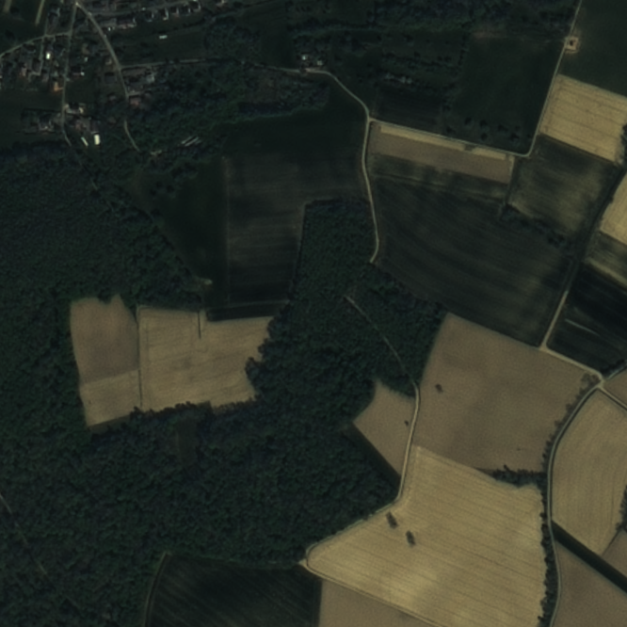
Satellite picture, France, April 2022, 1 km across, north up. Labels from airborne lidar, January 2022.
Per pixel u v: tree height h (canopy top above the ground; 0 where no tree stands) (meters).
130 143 10
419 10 16
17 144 0
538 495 0
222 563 0
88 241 21
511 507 0
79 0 0
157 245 17
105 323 0
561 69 0
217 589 0
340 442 25
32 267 21
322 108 6
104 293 14
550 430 0
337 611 0
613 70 0
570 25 11
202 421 0
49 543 22
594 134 0
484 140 9
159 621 0
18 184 18
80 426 22
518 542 0
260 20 0
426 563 0
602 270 0
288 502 27
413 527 0
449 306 0
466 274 0
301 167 0
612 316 0
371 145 0
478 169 0
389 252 0
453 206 0
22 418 25
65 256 22
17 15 13
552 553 9
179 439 26
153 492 25
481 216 0
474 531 0
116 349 0
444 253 0
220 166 0
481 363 0
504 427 0
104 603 22
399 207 0
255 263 0
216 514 25
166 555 0
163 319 0
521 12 0
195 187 0
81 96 0
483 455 0
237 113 11
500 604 0
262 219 0
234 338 0
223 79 22
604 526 0
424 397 0
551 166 0
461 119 0
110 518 29
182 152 14
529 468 0
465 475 0
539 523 0
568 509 0
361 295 17
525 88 0
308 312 21
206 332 0
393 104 0
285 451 22
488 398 0
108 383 0
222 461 24
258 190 0
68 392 20
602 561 0
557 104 0
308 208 7
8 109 0
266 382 20
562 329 0
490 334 0
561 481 0
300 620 0
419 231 0
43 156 15
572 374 0
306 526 22
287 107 9
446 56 0
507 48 0
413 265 0
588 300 0
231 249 0
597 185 0
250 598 0
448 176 0
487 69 0
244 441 27
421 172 0
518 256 0
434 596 0
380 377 24
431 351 18
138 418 13
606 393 0
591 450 0
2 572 32
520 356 0
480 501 0
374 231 10
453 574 0
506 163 0
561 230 0
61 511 28
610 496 0
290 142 0
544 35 0
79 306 0
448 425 0
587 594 0
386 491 19
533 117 0
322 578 0
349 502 26
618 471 0
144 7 0
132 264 22
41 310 20
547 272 0
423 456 0
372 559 0
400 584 0
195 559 0
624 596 0
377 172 0
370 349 19
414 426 0
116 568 27
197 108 17
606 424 0
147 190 0
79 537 25
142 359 0
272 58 0
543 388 0
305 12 7
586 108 0
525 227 13
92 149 0
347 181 0
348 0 0
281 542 28
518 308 0
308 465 24
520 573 0
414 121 0
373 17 9
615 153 0
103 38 0
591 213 0
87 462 26
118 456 29
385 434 0
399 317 20
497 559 0
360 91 0
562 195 0
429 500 0
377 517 0
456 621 0
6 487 28
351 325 17
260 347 0
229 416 24
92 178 10
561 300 0
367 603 0
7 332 21
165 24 0
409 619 0
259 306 0
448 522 0
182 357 0
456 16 24
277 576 0
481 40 0
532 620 0
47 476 18
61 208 16
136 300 15
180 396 0
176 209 0
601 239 0
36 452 29
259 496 23
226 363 0
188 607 0
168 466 29
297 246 0
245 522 28
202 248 0
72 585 23
